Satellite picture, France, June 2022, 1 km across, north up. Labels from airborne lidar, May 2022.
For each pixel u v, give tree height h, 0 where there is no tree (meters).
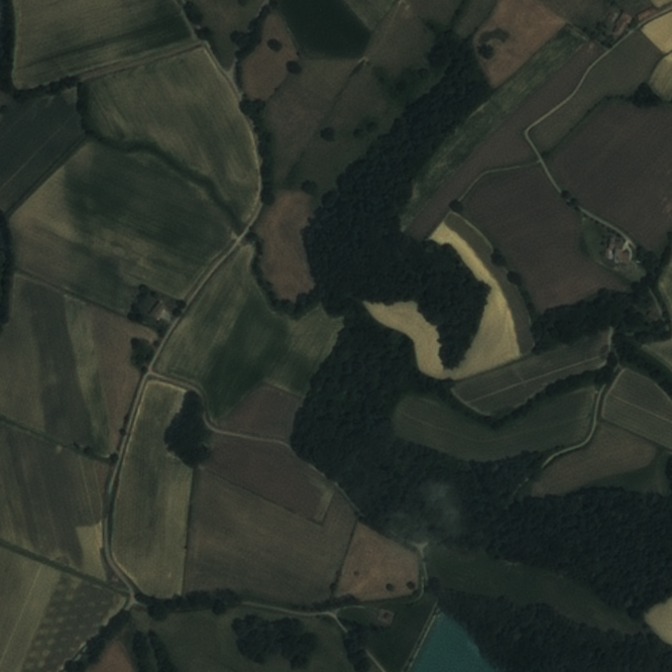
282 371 0
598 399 0
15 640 0
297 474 0
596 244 0
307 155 0
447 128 15
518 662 11
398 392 22
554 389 16
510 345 0
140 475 0
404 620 0
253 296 0
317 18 0
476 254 0
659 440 0
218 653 0
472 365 0
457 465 12
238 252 0
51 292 0
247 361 0
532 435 0
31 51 0
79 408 0
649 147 0
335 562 0
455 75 17
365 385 19
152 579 0
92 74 0
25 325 0
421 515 20
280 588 0
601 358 0
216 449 0
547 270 0
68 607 0
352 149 0
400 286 25
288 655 16
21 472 0
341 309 18
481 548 12
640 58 0
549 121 0
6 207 0
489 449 0
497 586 0
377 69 0
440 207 0
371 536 0
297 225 0
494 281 0
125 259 0
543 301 0
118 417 0
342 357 21
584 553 15
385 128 0
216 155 0
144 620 0
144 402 0
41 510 0
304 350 0
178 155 0
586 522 18
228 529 0
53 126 0
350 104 0
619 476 0
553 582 0
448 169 0
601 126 0
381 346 11
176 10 0
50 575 0
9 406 0
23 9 0
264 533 0
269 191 10
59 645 0
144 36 0
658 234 0
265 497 0
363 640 20
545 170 0
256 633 19
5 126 0
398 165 23
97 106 0
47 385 0
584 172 0
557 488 0
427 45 0
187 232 0
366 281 25
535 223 0
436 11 0
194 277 0
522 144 0
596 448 0
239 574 0
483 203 0
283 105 0
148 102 0
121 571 0
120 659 0
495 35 0
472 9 0
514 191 0
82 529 0
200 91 0
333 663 0
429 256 23
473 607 15
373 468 25
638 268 0
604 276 0
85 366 0
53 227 0
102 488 0
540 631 11
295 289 0
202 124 0
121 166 0
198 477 0
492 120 0
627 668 15
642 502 19
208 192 0
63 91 11
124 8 0
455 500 26
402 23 0
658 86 0
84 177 0
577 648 19
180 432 25
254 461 0
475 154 0
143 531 0
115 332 0
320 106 0
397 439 9
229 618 0
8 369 0
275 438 0
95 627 0
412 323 0
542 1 0
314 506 0
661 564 12
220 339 0
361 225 27
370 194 17
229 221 0
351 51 0
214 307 0
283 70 0
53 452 0
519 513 23
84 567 0
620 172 0
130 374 0
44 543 0
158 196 0
